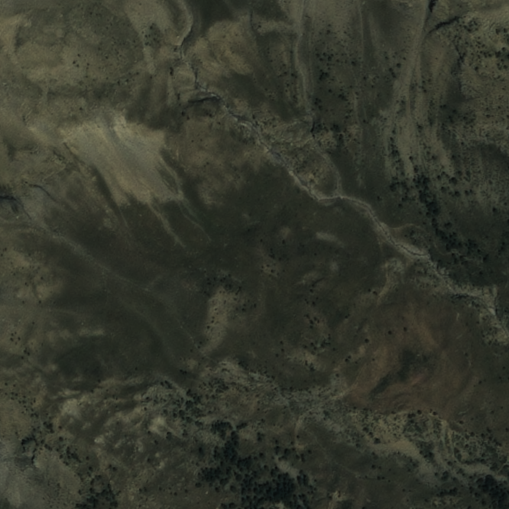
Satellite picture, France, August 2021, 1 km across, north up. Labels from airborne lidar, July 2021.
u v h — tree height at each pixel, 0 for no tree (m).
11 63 0
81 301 0
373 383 0
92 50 0
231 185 0
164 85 0
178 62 0
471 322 0
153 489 0
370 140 0
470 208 0
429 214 9
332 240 0
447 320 0
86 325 0
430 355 0
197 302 0
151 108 0
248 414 0
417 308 0
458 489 6
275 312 0
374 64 0
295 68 0
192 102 0
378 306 0
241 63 0
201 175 0
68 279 0
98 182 0
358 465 0
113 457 0
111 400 0
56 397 0
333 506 0
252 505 14
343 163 0
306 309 0
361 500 0
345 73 0
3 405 0
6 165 0
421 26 0
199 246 0
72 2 0
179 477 0
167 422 0
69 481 0
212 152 0
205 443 0
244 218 0
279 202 0
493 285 0
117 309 0
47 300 0
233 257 0
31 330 0
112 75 0
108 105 0
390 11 0
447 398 0
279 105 0
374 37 0
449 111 0
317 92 0
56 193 0
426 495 0
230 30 0
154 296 0
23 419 0
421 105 0
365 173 0
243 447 0
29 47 0
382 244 0
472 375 0
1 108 0
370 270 0
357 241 0
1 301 0
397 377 0
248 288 0
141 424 0
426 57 0
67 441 0
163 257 0
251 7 0
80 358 0
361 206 0
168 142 0
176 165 0
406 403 0
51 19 0
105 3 0
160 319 0
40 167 0
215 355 0
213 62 0
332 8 0
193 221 0
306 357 0
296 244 0
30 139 0
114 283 0
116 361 0
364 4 0
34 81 0
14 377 0
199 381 0
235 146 0
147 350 0
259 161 0
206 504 0
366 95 0
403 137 0
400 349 0
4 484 0
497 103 0
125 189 0
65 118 0
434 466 0
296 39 0
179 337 0
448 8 0
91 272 0
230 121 0
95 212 0
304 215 0
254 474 6
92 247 0
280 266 0
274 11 0
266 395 0
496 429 0
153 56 0
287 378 0
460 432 0
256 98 0
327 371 0
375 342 0
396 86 0
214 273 0
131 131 0
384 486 0
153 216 0
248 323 0
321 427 0
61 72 0
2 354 0
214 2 0
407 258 0
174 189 0
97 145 0
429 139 0
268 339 0
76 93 0
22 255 0
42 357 0
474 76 0
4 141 0
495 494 7
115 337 0
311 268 0
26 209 0
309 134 0
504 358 0
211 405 0
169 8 0
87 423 0
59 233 0
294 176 0
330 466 0
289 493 10
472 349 0
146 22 0
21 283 0
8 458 0
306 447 0
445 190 8
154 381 0
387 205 0
